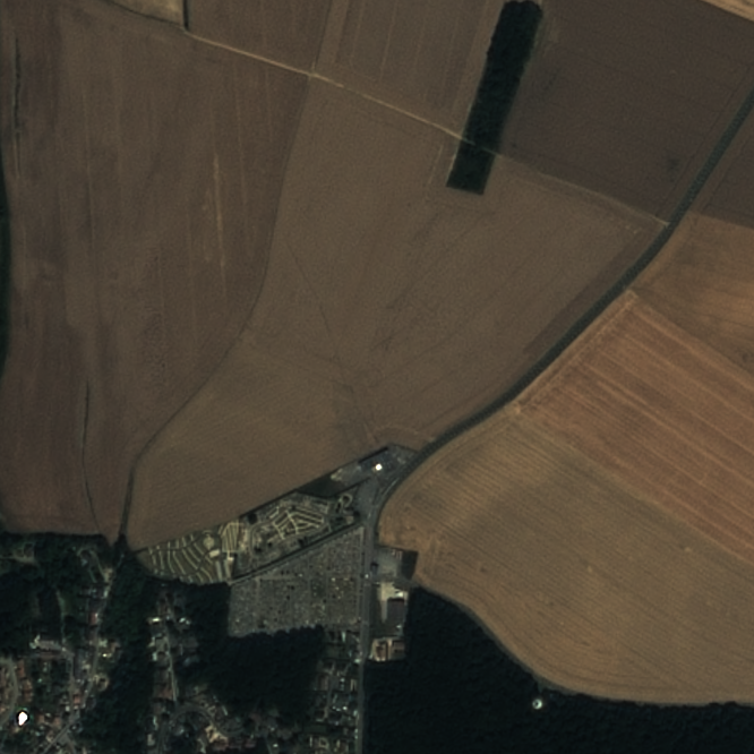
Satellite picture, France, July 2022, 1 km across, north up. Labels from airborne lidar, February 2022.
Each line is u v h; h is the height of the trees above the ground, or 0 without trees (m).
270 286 0
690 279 0
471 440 0
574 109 0
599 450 0
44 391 0
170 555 0
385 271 0
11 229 0
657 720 18
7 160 0
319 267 0
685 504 0
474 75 0
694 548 0
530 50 15
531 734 22
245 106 0
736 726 23
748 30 0
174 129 0
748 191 0
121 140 0
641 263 0
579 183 0
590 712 20
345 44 0
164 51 0
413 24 0
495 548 0
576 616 0
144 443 0
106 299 0
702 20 0
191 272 0
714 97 0
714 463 0
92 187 0
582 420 0
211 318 0
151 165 0
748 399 0
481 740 25
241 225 0
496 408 0
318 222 0
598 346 0
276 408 0
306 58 0
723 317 0
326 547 0
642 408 0
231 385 0
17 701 0
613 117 0
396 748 22
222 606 14
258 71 0
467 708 28
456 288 0
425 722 24
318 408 0
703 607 0
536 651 0
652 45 0
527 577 0
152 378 0
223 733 0
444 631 23
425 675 21
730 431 0
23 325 0
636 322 0
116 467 0
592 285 0
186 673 13
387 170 0
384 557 0
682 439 0
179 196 0
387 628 0
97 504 0
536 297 0
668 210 0
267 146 0
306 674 21
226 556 0
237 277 0
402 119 0
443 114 0
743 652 0
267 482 0
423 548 0
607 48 0
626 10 0
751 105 0
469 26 0
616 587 0
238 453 0
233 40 0
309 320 0
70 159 0
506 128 0
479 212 0
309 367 0
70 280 0
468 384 0
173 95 0
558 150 0
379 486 0
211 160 0
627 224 0
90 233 0
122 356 0
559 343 0
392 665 10
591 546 0
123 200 0
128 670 13
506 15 11
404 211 0
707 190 0
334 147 0
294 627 0
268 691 22
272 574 0
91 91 0
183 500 0
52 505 0
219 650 17
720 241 0
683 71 0
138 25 0
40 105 0
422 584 0
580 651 0
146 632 13
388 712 20
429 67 0
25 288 0
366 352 0
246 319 0
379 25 0
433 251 0
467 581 0
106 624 7
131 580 11
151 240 0
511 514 0
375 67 0
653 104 0
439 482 0
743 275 0
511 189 0
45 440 0
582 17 0
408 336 0
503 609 0
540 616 0
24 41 0
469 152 13
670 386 0
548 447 0
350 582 0
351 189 0
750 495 0
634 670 0
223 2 0
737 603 0
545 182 0
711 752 25
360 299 0
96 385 0
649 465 0
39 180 0
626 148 0
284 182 0
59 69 0
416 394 0
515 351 0
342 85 0
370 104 0
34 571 10
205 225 0
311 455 0
